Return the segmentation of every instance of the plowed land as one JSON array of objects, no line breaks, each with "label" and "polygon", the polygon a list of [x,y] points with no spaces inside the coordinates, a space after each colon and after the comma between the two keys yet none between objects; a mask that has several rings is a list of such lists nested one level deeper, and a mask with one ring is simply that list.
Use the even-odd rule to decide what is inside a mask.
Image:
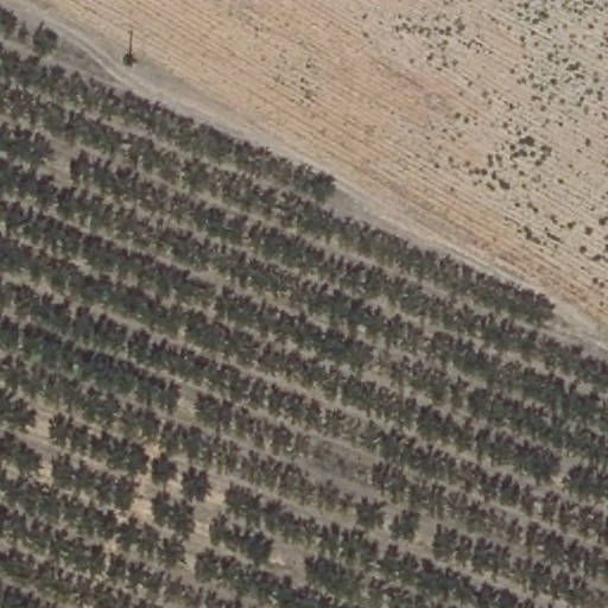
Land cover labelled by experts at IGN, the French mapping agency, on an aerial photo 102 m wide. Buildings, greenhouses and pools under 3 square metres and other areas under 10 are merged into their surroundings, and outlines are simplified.
[{"label": "plowed land", "polygon": [[309,542],[297,544],[292,539],[280,537],[273,542],[271,551],[283,556],[285,565],[273,563],[271,575],[290,577],[295,589],[302,589],[306,584],[304,561],[318,556],[321,537],[311,537]]},{"label": "plowed land", "polygon": [[209,385],[209,380],[190,380],[176,375],[176,425],[192,425],[192,418],[197,416],[195,404],[200,394],[214,397],[219,401],[230,401],[233,397],[230,392]]},{"label": "plowed land", "polygon": [[235,176],[249,178],[254,185],[264,190],[271,188],[276,192],[276,202],[285,202],[285,195],[295,188],[283,185],[271,176],[259,176],[249,169],[235,166]]},{"label": "plowed land", "polygon": [[88,504],[102,513],[112,513],[116,523],[128,523],[133,518],[138,518],[140,523],[152,520],[152,501],[157,494],[164,492],[169,494],[171,504],[181,501],[183,477],[188,473],[188,454],[176,454],[171,458],[176,463],[176,473],[171,480],[164,482],[154,482],[150,475],[143,473],[135,475],[133,470],[114,468],[102,458],[95,458],[93,454],[74,449],[71,439],[57,444],[50,437],[50,423],[55,418],[52,404],[45,401],[45,397],[36,397],[36,423],[26,425],[24,442],[40,456],[40,485],[52,482],[52,461],[64,454],[71,458],[71,468],[88,466],[95,473],[126,477],[135,482],[133,504],[128,508],[119,508],[116,504],[102,501],[97,492],[83,489],[78,496],[81,504]]},{"label": "plowed land", "polygon": [[259,363],[252,363],[245,366],[245,371],[240,373],[242,378],[257,378],[266,385],[278,385],[285,392],[302,394],[306,401],[318,401],[321,409],[342,411],[361,420],[375,423],[385,432],[394,428],[394,420],[380,416],[378,411],[363,411],[359,406],[352,406],[342,397],[330,399],[316,382],[302,385],[299,380],[287,378],[285,373],[268,373]]},{"label": "plowed land", "polygon": [[321,442],[328,442],[333,451],[337,451],[349,463],[380,463],[382,454],[378,451],[354,447],[349,439],[335,437],[330,432],[311,430],[311,444],[318,447]]},{"label": "plowed land", "polygon": [[390,378],[387,371],[382,371],[380,366],[371,366],[363,368],[363,382],[373,382],[375,387],[387,390],[390,394],[399,392],[399,382]]},{"label": "plowed land", "polygon": [[589,466],[587,456],[575,454],[570,449],[561,449],[561,463],[553,477],[537,480],[527,470],[518,470],[508,463],[496,463],[485,454],[463,451],[447,439],[425,437],[418,430],[418,425],[404,428],[404,437],[413,437],[416,447],[425,454],[449,454],[456,463],[473,463],[480,466],[487,475],[506,475],[518,487],[530,487],[532,496],[546,496],[549,492],[553,492],[572,504],[570,525],[561,525],[549,523],[542,515],[542,504],[534,504],[532,513],[525,513],[520,506],[485,496],[482,487],[473,487],[470,492],[461,482],[430,475],[428,487],[439,485],[444,487],[444,494],[468,496],[468,501],[477,504],[482,511],[506,511],[506,520],[518,520],[518,542],[508,539],[508,532],[499,530],[494,530],[487,539],[487,544],[496,544],[511,551],[508,565],[515,568],[515,561],[525,561],[527,525],[537,525],[539,530],[553,532],[556,537],[563,537],[570,544],[575,542],[584,549],[596,546],[603,551],[603,558],[608,558],[608,542],[596,537],[594,530],[589,530],[589,534],[580,532],[580,511],[584,506],[591,506],[608,515],[608,499],[587,496],[568,489],[565,480],[570,470],[575,466]]},{"label": "plowed land", "polygon": [[442,321],[416,316],[401,309],[399,304],[390,302],[387,297],[373,297],[368,306],[380,309],[387,318],[397,316],[404,323],[413,323],[430,337],[435,333],[444,333],[454,340],[458,337],[456,328],[447,328]]},{"label": "plowed land", "polygon": [[43,159],[36,176],[52,176],[55,188],[69,188],[71,162],[78,154],[88,154],[90,162],[97,162],[102,150],[78,138],[67,140],[52,133],[43,121],[36,121],[33,133],[45,138],[45,143],[52,147],[52,157]]},{"label": "plowed land", "polygon": [[356,340],[373,347],[373,356],[380,356],[385,337],[368,335],[366,325],[356,325]]},{"label": "plowed land", "polygon": [[302,468],[304,477],[311,485],[333,482],[340,492],[352,494],[352,499],[359,504],[392,499],[390,492],[380,492],[375,487],[371,475],[352,475],[347,480],[340,473],[323,473],[316,468],[314,456],[299,454],[295,466]]},{"label": "plowed land", "polygon": [[159,152],[173,152],[178,159],[192,159],[190,150],[181,147],[173,140],[166,140],[164,135],[150,131],[143,124],[131,124],[121,116],[109,116],[90,109],[86,119],[90,121],[109,126],[121,135],[147,138]]},{"label": "plowed land", "polygon": [[207,207],[221,209],[226,219],[235,219],[240,214],[240,204],[233,204],[223,197],[214,197],[209,190],[200,190],[195,202],[204,202]]},{"label": "plowed land", "polygon": [[304,314],[311,325],[328,330],[328,314],[316,314],[314,309],[309,309],[309,304],[290,304],[292,295],[285,290],[271,292],[245,287],[238,278],[219,273],[214,266],[200,268],[195,264],[185,264],[173,257],[171,249],[164,249],[157,259],[159,264],[188,271],[188,276],[195,280],[211,283],[219,295],[223,292],[223,287],[230,287],[235,297],[249,297],[254,304],[268,304],[278,309],[276,318],[280,318],[283,314]]},{"label": "plowed land", "polygon": [[456,363],[447,363],[449,380],[466,380],[473,392],[485,387],[485,378],[456,368]]},{"label": "plowed land", "polygon": [[439,176],[437,169],[466,169],[470,176],[487,176],[482,166],[487,164],[487,154],[477,152],[458,131],[458,121],[470,124],[468,114],[461,114],[456,107],[451,107],[444,93],[430,93],[420,78],[401,71],[399,64],[385,59],[382,45],[373,40],[366,31],[368,14],[354,17],[337,0],[0,0],[0,7],[26,24],[26,38],[21,43],[19,29],[12,29],[10,36],[0,33],[0,45],[10,52],[17,52],[19,57],[31,57],[36,29],[45,26],[57,33],[55,50],[50,50],[43,57],[45,67],[59,67],[67,74],[78,74],[83,81],[105,83],[116,93],[133,93],[143,100],[164,105],[176,114],[190,116],[200,126],[207,124],[235,140],[249,143],[254,147],[266,147],[276,157],[290,159],[295,166],[309,166],[316,173],[333,176],[335,190],[323,202],[323,211],[333,211],[337,219],[352,219],[356,223],[368,223],[371,228],[387,230],[401,240],[409,240],[411,247],[439,252],[458,264],[468,264],[470,268],[485,276],[499,278],[501,283],[511,283],[534,295],[544,295],[553,304],[553,316],[544,321],[537,335],[551,337],[561,344],[577,344],[582,347],[584,359],[599,359],[608,363],[608,295],[603,292],[606,283],[601,278],[591,278],[589,285],[577,287],[561,276],[561,266],[546,264],[544,249],[561,249],[563,242],[556,233],[549,233],[544,228],[544,235],[537,238],[530,226],[523,226],[518,219],[501,214],[499,209],[485,207],[477,200],[468,200],[451,185],[442,188],[435,183]]},{"label": "plowed land", "polygon": [[375,266],[375,257],[344,247],[337,235],[325,238],[311,233],[306,245],[323,249],[325,257],[344,259],[352,264],[366,264],[371,268]]},{"label": "plowed land", "polygon": [[584,382],[580,375],[563,371],[561,366],[544,366],[542,359],[523,356],[520,352],[504,352],[501,361],[506,363],[518,363],[525,371],[532,368],[539,375],[556,375],[558,380],[563,380],[563,385],[572,382],[580,387]]},{"label": "plowed land", "polygon": [[371,527],[366,537],[378,544],[378,558],[385,558],[387,546],[397,546],[399,553],[411,553],[416,558],[430,561],[439,570],[454,570],[458,575],[466,575],[475,587],[489,584],[494,589],[506,589],[515,594],[520,601],[530,599],[530,584],[501,577],[492,570],[480,572],[473,565],[473,561],[458,561],[456,556],[435,556],[432,542],[437,527],[454,530],[456,534],[470,539],[480,539],[480,532],[473,532],[458,515],[451,515],[451,508],[442,508],[442,518],[432,518],[428,508],[420,508],[413,537],[394,537],[394,518],[409,511],[406,504],[397,501],[382,511],[382,525]]},{"label": "plowed land", "polygon": [[226,506],[228,487],[247,489],[249,494],[259,496],[261,504],[276,501],[295,518],[314,518],[316,525],[323,527],[337,525],[342,530],[354,530],[354,508],[342,511],[335,506],[328,508],[316,504],[302,504],[297,496],[287,496],[280,489],[271,489],[259,482],[249,482],[242,475],[228,473],[226,468],[209,468],[209,494],[204,499],[192,501],[195,527],[188,537],[188,544],[183,546],[185,558],[176,565],[152,561],[152,565],[147,568],[150,572],[171,572],[173,580],[181,580],[192,589],[209,589],[219,599],[228,601],[235,599],[235,589],[230,589],[223,580],[200,580],[195,575],[195,563],[202,551],[235,558],[242,565],[249,565],[252,561],[240,549],[230,549],[223,542],[214,542],[209,532],[214,518]]}]

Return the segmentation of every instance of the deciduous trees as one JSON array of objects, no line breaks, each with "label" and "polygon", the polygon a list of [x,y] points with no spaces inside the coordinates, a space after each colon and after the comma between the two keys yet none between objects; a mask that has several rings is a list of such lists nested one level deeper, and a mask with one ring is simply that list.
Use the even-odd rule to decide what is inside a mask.
[{"label": "deciduous trees", "polygon": [[608,542],[608,515],[591,506],[584,506],[580,511],[580,532],[589,534],[589,530],[594,530],[596,537]]},{"label": "deciduous trees", "polygon": [[[430,475],[461,482],[470,492],[473,487],[482,487],[485,496],[520,506],[525,513],[532,513],[534,504],[542,504],[542,515],[549,523],[561,525],[570,525],[572,504],[553,492],[549,492],[546,496],[532,496],[530,487],[518,487],[506,475],[487,475],[480,466],[473,463],[456,463],[449,454],[425,454],[416,447],[413,437],[404,437],[404,428],[418,425],[418,430],[425,437],[447,439],[463,451],[485,454],[496,463],[508,463],[518,470],[527,470],[537,480],[553,477],[561,463],[561,449],[570,449],[575,454],[587,456],[589,466],[575,466],[570,470],[565,480],[568,489],[587,496],[608,499],[608,363],[599,359],[584,359],[582,347],[577,344],[561,344],[551,337],[537,335],[544,321],[553,316],[553,304],[544,295],[534,295],[511,283],[501,283],[499,278],[485,276],[470,268],[468,264],[458,264],[439,252],[411,247],[409,240],[401,240],[387,230],[371,228],[368,223],[356,223],[352,219],[337,219],[333,211],[323,211],[323,202],[335,190],[333,176],[316,173],[309,166],[295,166],[290,159],[276,157],[266,147],[254,147],[249,143],[235,140],[207,124],[200,126],[190,116],[176,114],[164,105],[143,100],[133,93],[116,93],[105,83],[83,81],[78,74],[67,74],[59,67],[45,67],[43,57],[50,50],[55,50],[57,33],[45,26],[36,29],[31,57],[19,57],[17,52],[10,52],[0,45],[0,608],[608,608],[608,558],[603,558],[603,551],[596,546],[584,549],[575,542],[570,544],[563,537],[556,537],[553,532],[539,530],[537,525],[527,525],[525,561],[515,561],[515,568],[508,565],[511,551],[496,544],[487,544],[487,539],[494,530],[499,530],[508,532],[508,539],[518,542],[518,520],[506,520],[506,511],[482,511],[477,504],[468,501],[468,496],[444,494],[444,487],[439,485],[428,487]],[[166,140],[173,140],[181,147],[190,150],[192,159],[178,159],[173,152],[159,152],[147,138],[121,135],[109,126],[90,121],[86,119],[90,109],[109,116],[121,116],[131,124],[143,124],[150,131],[164,135]],[[52,176],[36,176],[43,159],[52,157],[52,147],[45,143],[45,138],[33,133],[36,121],[43,121],[52,133],[67,140],[78,138],[102,150],[97,162],[90,162],[88,154],[78,154],[71,162],[69,188],[55,188]],[[235,176],[235,166],[249,169],[259,176],[271,176],[283,185],[295,188],[285,195],[285,202],[276,202],[276,192],[271,188],[264,190],[254,185],[249,178]],[[200,190],[209,190],[214,197],[223,197],[233,204],[240,204],[240,214],[235,219],[226,219],[221,209],[207,207],[204,202],[195,202]],[[375,266],[371,268],[366,264],[352,264],[344,259],[325,257],[323,249],[306,245],[311,233],[325,238],[337,235],[344,247],[375,257]],[[238,278],[245,287],[271,292],[285,290],[292,295],[290,304],[309,304],[309,309],[314,309],[316,314],[328,314],[328,330],[311,325],[304,314],[283,314],[280,318],[276,318],[278,309],[268,304],[254,304],[249,297],[235,297],[230,287],[223,287],[223,292],[219,295],[211,283],[195,280],[188,276],[188,271],[159,264],[157,259],[164,249],[171,249],[173,257],[185,264],[195,264],[200,268],[214,266],[219,273]],[[399,304],[401,309],[416,316],[442,321],[447,328],[456,328],[458,337],[454,340],[444,333],[435,333],[430,337],[413,323],[404,323],[397,316],[387,318],[380,309],[368,306],[373,297],[387,297],[390,302]],[[373,347],[356,340],[356,325],[366,325],[368,335],[385,337],[380,356],[373,356]],[[532,368],[525,371],[518,363],[506,363],[501,361],[504,352],[520,352],[523,356],[542,359],[544,366],[561,366],[563,371],[580,375],[584,382],[580,387],[572,382],[563,385],[563,380],[558,380],[556,375],[539,375]],[[245,371],[245,366],[252,363],[259,363],[268,373],[285,373],[287,378],[299,380],[302,385],[316,382],[330,399],[342,397],[352,406],[359,406],[363,411],[378,411],[380,416],[394,420],[394,428],[385,432],[375,423],[361,420],[342,411],[321,409],[318,401],[306,401],[302,394],[285,392],[278,385],[266,385],[257,378],[242,378],[240,373]],[[449,380],[447,363],[456,363],[456,368],[485,378],[485,387],[473,392],[466,380]],[[363,382],[363,368],[371,366],[380,366],[382,371],[387,371],[390,378],[399,382],[399,392],[390,394],[387,390],[375,387],[373,382]],[[192,418],[192,425],[176,425],[176,375],[190,380],[209,380],[209,385],[230,392],[233,397],[230,401],[219,401],[214,397],[200,394],[195,404],[197,416]],[[183,477],[181,501],[171,504],[169,494],[164,492],[157,494],[152,501],[152,520],[140,523],[138,518],[133,518],[128,523],[116,523],[112,513],[102,513],[88,504],[81,504],[78,496],[83,489],[97,492],[102,501],[116,504],[119,508],[128,508],[133,504],[135,482],[126,477],[95,473],[88,466],[71,468],[71,458],[64,454],[52,461],[52,482],[40,485],[40,456],[24,442],[26,425],[36,423],[36,397],[45,397],[45,401],[52,404],[55,418],[50,423],[50,437],[57,444],[71,439],[74,449],[93,454],[95,458],[102,458],[114,468],[133,470],[135,475],[143,473],[150,475],[154,482],[164,482],[171,480],[176,473],[176,463],[171,458],[176,454],[188,454],[188,473]],[[349,439],[354,447],[378,451],[382,454],[380,463],[349,463],[337,451],[333,451],[328,442],[321,442],[318,447],[311,444],[311,430],[330,432],[335,437]],[[314,456],[316,468],[323,473],[340,473],[347,480],[352,475],[371,475],[375,487],[380,492],[390,492],[392,499],[359,504],[352,499],[352,494],[340,492],[333,482],[311,485],[304,477],[302,468],[295,466],[299,454]],[[354,530],[342,530],[337,525],[323,527],[316,525],[314,518],[295,518],[276,501],[261,504],[259,496],[249,494],[247,489],[228,487],[226,506],[214,518],[209,532],[214,542],[223,542],[230,549],[240,549],[252,561],[249,565],[242,565],[235,558],[202,551],[195,563],[195,575],[200,580],[223,580],[230,589],[235,589],[235,599],[228,601],[219,599],[209,589],[192,589],[181,580],[173,580],[171,572],[150,572],[147,568],[152,565],[152,561],[176,565],[185,558],[183,546],[188,544],[188,537],[195,527],[192,501],[204,499],[209,494],[209,468],[226,468],[228,473],[242,475],[249,482],[259,482],[271,489],[280,489],[287,496],[297,496],[302,504],[316,504],[328,508],[335,506],[342,511],[354,508]],[[454,570],[439,570],[430,561],[416,558],[411,553],[399,553],[397,546],[387,546],[385,558],[378,558],[378,544],[366,537],[371,527],[382,525],[382,511],[397,501],[406,504],[409,511],[394,518],[394,537],[413,537],[420,508],[428,508],[432,518],[442,518],[442,508],[451,508],[451,515],[458,515],[473,532],[480,532],[480,539],[470,539],[456,534],[454,530],[437,527],[432,542],[435,556],[456,556],[458,561],[473,561],[473,565],[480,572],[492,570],[501,577],[530,584],[530,599],[520,601],[515,594],[506,589],[494,589],[489,584],[475,587],[466,575],[458,575]],[[306,584],[302,589],[295,589],[290,577],[271,575],[273,563],[285,565],[283,556],[271,551],[273,542],[280,537],[292,539],[297,544],[309,542],[311,537],[321,537],[318,556],[304,561]]]},{"label": "deciduous trees", "polygon": [[0,7],[0,33],[10,36],[12,29],[19,29],[21,43],[26,38],[26,24]]}]

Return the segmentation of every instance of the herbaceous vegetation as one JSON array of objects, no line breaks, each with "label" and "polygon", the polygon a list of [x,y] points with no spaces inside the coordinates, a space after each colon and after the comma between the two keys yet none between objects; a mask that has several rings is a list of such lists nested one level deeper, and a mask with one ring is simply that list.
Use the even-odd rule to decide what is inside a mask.
[{"label": "herbaceous vegetation", "polygon": [[591,278],[601,278],[606,283],[603,292],[608,295],[608,0],[337,0],[354,17],[368,14],[366,31],[373,40],[382,45],[385,59],[399,64],[401,71],[420,78],[430,93],[444,93],[451,107],[456,107],[461,114],[468,114],[470,124],[458,121],[458,131],[477,152],[487,154],[487,164],[482,166],[487,176],[470,176],[466,169],[437,169],[439,176],[435,183],[442,188],[451,185],[468,200],[477,200],[485,207],[499,209],[501,214],[518,219],[523,226],[530,226],[537,238],[544,235],[544,228],[549,233],[556,233],[563,242],[561,249],[544,249],[546,264],[561,266],[561,276],[577,287],[589,285]]}]

